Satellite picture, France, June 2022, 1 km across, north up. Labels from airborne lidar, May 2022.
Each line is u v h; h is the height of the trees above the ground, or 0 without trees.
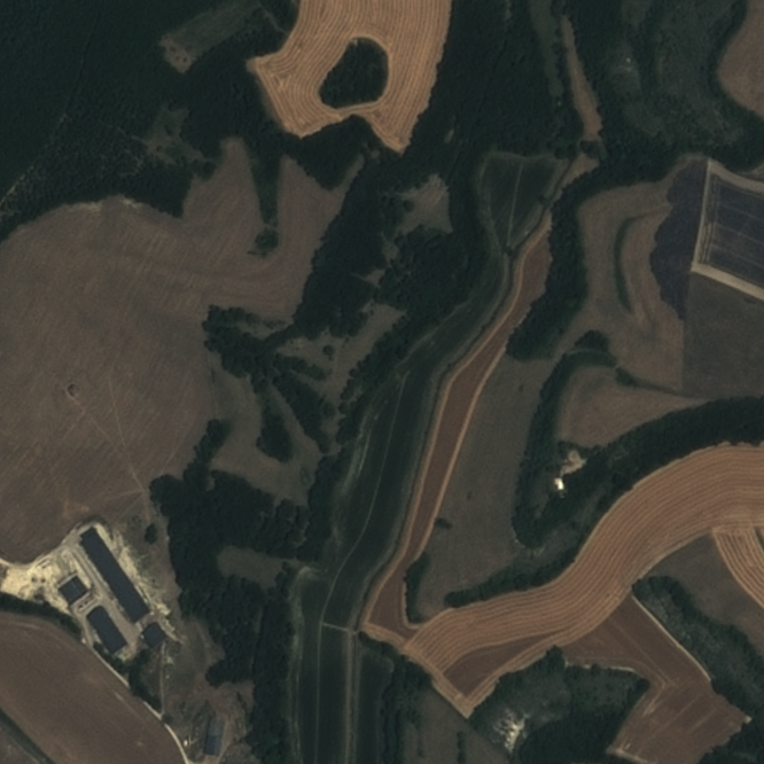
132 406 0
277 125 16
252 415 0
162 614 0
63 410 0
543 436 9
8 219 9
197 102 16
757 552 0
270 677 21
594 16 10
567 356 9
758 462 0
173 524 14
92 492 0
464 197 19
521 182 0
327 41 0
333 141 18
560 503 11
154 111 12
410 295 18
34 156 10
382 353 9
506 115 19
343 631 0
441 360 0
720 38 7
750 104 0
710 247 0
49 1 11
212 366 0
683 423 9
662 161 20
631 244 0
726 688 12
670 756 0
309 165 17
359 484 0
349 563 0
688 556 0
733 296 0
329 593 0
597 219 0
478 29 16
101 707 0
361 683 0
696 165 0
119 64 11
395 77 0
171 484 17
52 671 0
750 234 0
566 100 15
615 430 0
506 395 0
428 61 0
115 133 11
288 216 0
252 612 15
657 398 0
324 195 0
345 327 16
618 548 0
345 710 0
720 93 8
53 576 0
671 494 0
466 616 0
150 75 10
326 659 0
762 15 0
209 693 0
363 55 7
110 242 0
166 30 11
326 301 18
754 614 0
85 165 8
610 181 18
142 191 14
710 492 0
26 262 0
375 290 12
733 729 0
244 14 0
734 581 0
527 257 0
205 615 11
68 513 0
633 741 0
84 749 0
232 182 0
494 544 0
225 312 12
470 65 19
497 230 0
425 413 0
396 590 0
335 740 0
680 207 0
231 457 0
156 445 0
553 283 21
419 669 15
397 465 0
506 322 0
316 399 17
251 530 13
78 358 0
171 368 0
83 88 9
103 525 0
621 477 18
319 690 0
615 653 0
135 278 0
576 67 0
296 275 0
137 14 12
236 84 19
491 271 0
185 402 0
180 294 0
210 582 18
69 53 13
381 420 0
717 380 0
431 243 15
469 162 17
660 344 0
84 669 0
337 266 20
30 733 0
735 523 0
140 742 0
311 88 0
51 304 0
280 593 13
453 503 0
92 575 0
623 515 0
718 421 15
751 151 11
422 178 9
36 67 11
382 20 0
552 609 0
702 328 0
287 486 0
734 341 0
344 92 10
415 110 0
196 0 12
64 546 0
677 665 0
